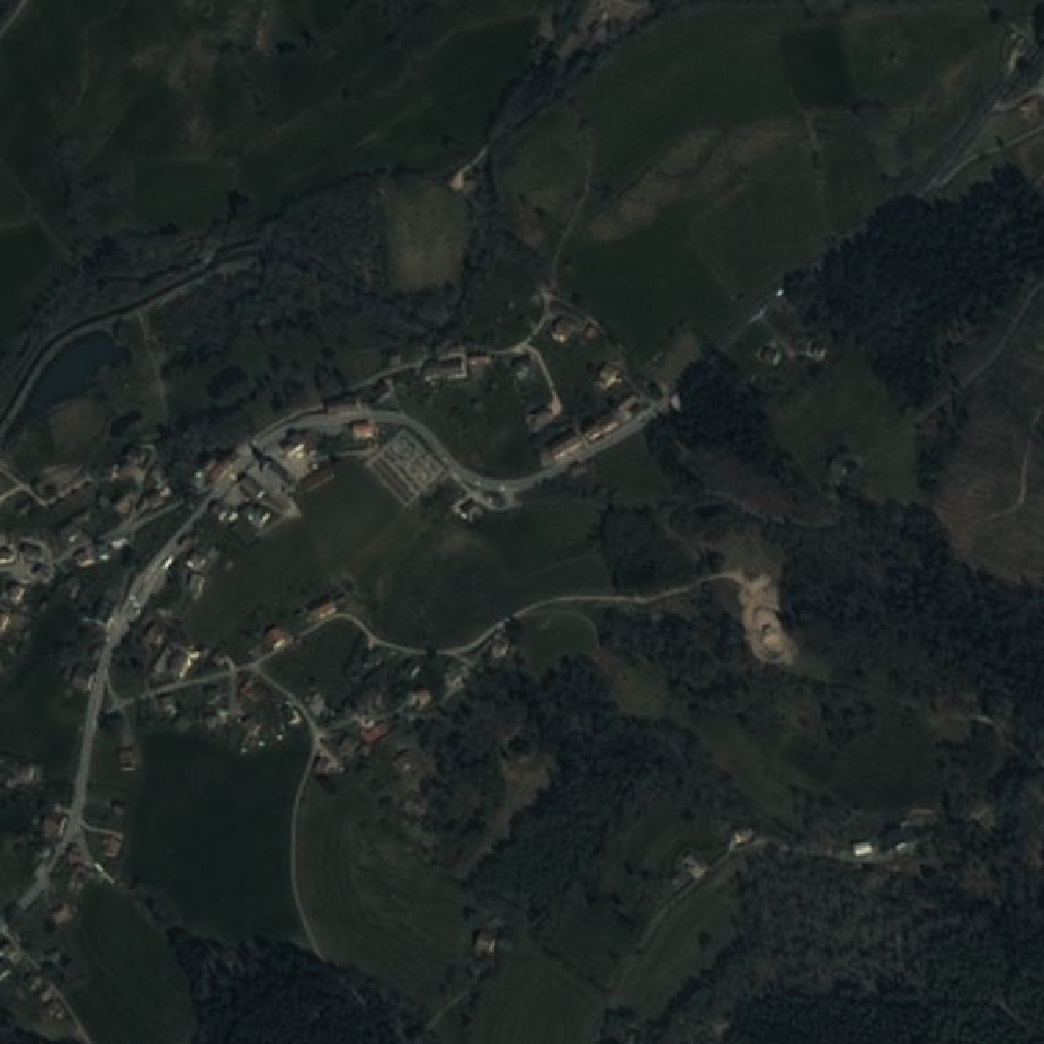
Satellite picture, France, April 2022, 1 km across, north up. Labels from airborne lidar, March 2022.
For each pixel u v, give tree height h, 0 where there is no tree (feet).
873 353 63
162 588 0
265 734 0
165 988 0
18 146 0
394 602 0
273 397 70
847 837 55
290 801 0
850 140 0
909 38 0
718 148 0
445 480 0
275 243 40
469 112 0
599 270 0
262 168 0
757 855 0
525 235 0
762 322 0
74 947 0
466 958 0
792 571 25
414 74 0
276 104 0
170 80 0
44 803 0
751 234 0
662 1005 0
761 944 62
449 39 0
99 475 0
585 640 0
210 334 70
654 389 26
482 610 0
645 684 0
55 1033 0
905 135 0
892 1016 80
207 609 0
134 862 0
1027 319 0
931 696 18
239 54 43
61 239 0
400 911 0
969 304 53
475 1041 0
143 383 0
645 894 0
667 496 0
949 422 38
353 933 0
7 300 0
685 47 0
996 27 42
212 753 0
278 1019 84
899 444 0
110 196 52
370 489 0
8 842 0
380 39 0
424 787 0
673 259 0
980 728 24
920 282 65
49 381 0
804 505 48
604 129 0
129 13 0
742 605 0
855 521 52
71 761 0
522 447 0
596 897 47
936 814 0
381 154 0
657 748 45
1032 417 0
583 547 0
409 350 0
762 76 0
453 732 0
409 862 0
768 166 0
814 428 0
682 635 89
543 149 0
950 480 0
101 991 0
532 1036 0
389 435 0
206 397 0
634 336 0
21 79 0
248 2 0
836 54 0
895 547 29
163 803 0
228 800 0
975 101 0
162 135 0
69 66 0
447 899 0
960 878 21
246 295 64
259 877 0
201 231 0
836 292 44
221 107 0
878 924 42
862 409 0
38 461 0
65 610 0
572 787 47
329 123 0
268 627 0
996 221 89
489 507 0
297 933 0
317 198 49
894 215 0
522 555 0
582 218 0
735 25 0
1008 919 39
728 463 0
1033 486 0
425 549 0
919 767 0
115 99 0
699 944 0
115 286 59
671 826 0
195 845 0
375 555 0
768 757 0
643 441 0
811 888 45
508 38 0
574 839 50
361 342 0
